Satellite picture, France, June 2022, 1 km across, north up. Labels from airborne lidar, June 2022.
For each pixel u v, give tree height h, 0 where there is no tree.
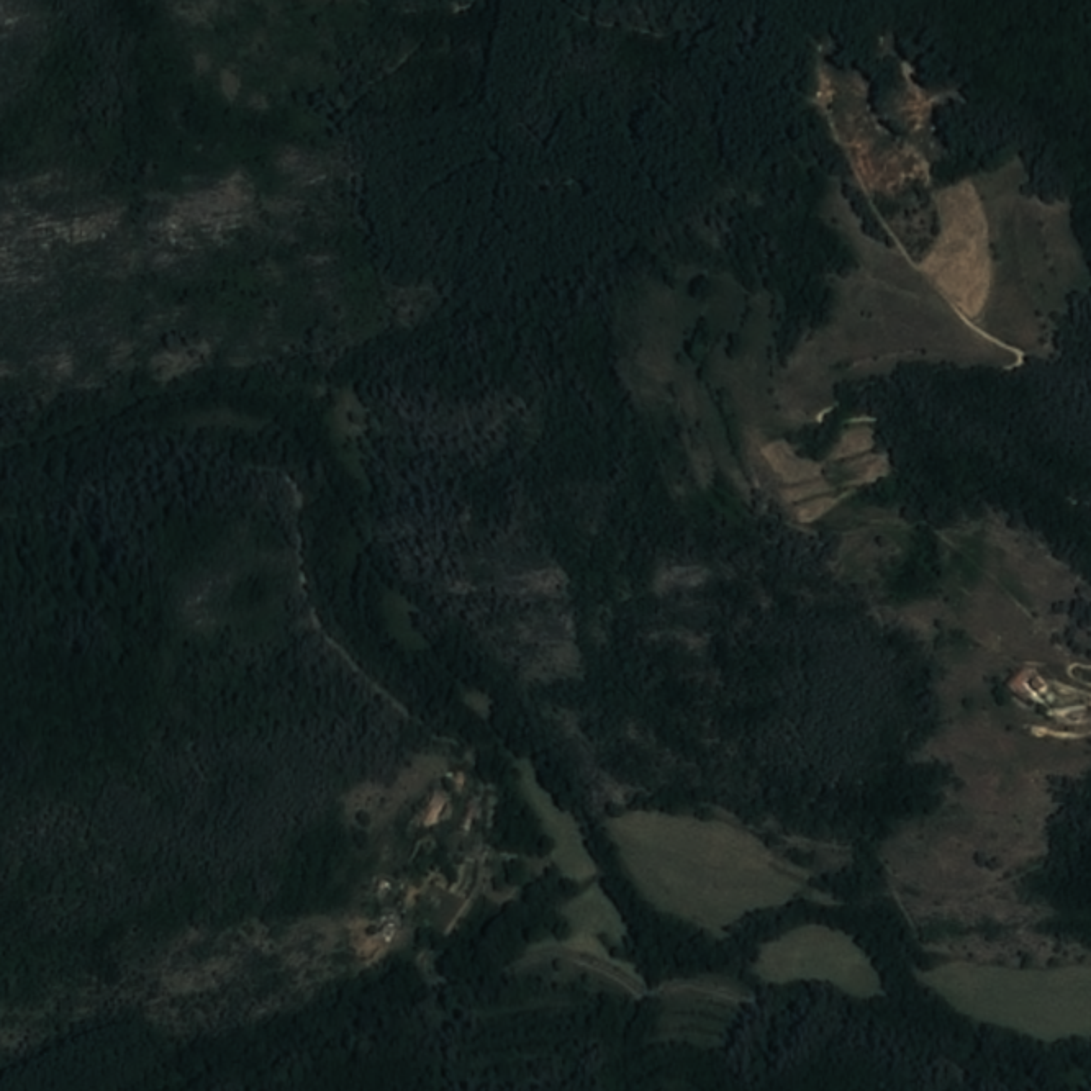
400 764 10
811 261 13
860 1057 21
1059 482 12
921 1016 28
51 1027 8
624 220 30
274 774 20
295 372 13
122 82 25
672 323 0
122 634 7
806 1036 28
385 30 9
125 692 9
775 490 0
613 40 19
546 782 25
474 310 25
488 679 22
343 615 22
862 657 14
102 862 12
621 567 9
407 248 24
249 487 18
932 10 22
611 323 10
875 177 0
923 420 14
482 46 17
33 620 20
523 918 29
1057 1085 30
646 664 12
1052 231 0
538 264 28
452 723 19
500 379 10
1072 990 0
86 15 19
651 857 0
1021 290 0
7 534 20
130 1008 11
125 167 16
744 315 9
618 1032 9
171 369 0
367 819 16
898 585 6
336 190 7
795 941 0
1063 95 24
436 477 8
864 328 0
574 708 9
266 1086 19
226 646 12
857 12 32
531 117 24
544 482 10
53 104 7
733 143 26
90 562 32
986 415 13
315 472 26
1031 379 17
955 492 18
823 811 11
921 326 0
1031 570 0
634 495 8
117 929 15
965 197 0
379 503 20
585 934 0
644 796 14
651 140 31
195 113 14
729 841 0
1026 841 0
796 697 15
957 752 0
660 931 21
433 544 19
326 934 0
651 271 9
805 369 0
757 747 15
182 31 0
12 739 16
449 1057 20
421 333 20
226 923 11
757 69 28
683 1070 13
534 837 17
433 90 10
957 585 0
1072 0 26
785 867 0
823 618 16
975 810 0
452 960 30
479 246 22
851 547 0
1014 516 12
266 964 7
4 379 6
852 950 0
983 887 0
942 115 22
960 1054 17
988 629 0
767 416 0
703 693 8
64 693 19
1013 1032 18
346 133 20
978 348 0
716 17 26
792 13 31
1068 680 0
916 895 0
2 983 7
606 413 6
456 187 29
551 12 32
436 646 12
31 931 20
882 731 12
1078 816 18
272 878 14
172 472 21
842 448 0
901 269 0
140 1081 27
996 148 23
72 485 13
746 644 14
